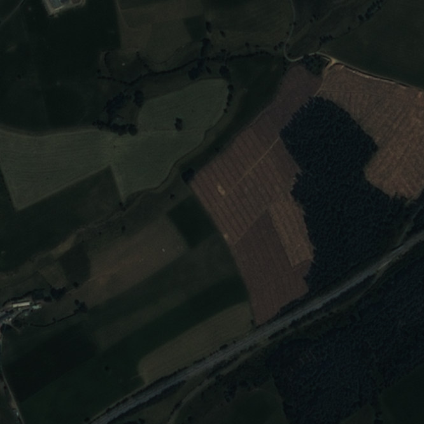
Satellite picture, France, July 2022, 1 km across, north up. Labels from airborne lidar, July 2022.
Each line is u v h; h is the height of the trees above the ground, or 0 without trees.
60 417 0
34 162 0
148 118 0
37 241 0
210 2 0
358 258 16
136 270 0
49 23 0
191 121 0
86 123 0
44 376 0
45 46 0
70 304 0
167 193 0
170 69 0
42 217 0
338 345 25
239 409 0
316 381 27
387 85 0
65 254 0
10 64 0
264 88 0
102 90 0
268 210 0
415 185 0
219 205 0
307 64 17
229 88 14
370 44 0
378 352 25
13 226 0
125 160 0
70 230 0
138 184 0
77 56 0
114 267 0
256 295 0
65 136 0
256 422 0
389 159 0
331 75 0
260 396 0
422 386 0
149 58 0
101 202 0
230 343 0
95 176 0
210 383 0
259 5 0
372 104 0
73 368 0
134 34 0
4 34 0
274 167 0
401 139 0
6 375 0
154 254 0
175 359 0
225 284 0
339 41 0
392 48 0
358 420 0
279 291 0
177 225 0
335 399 31
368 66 0
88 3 0
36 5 0
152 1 0
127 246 0
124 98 25
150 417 0
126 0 0
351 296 14
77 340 0
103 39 0
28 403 0
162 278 0
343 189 24
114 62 0
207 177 0
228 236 0
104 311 0
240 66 0
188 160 0
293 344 20
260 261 0
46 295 0
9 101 0
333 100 0
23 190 0
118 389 0
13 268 0
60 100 0
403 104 0
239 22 0
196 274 0
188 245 0
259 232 0
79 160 0
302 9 0
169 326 0
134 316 0
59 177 0
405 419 0
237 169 0
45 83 0
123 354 0
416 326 11
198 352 0
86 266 0
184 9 0
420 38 0
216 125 0
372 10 9
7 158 0
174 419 0
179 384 11
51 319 0
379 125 0
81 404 0
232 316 0
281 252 0
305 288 0
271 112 0
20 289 0
